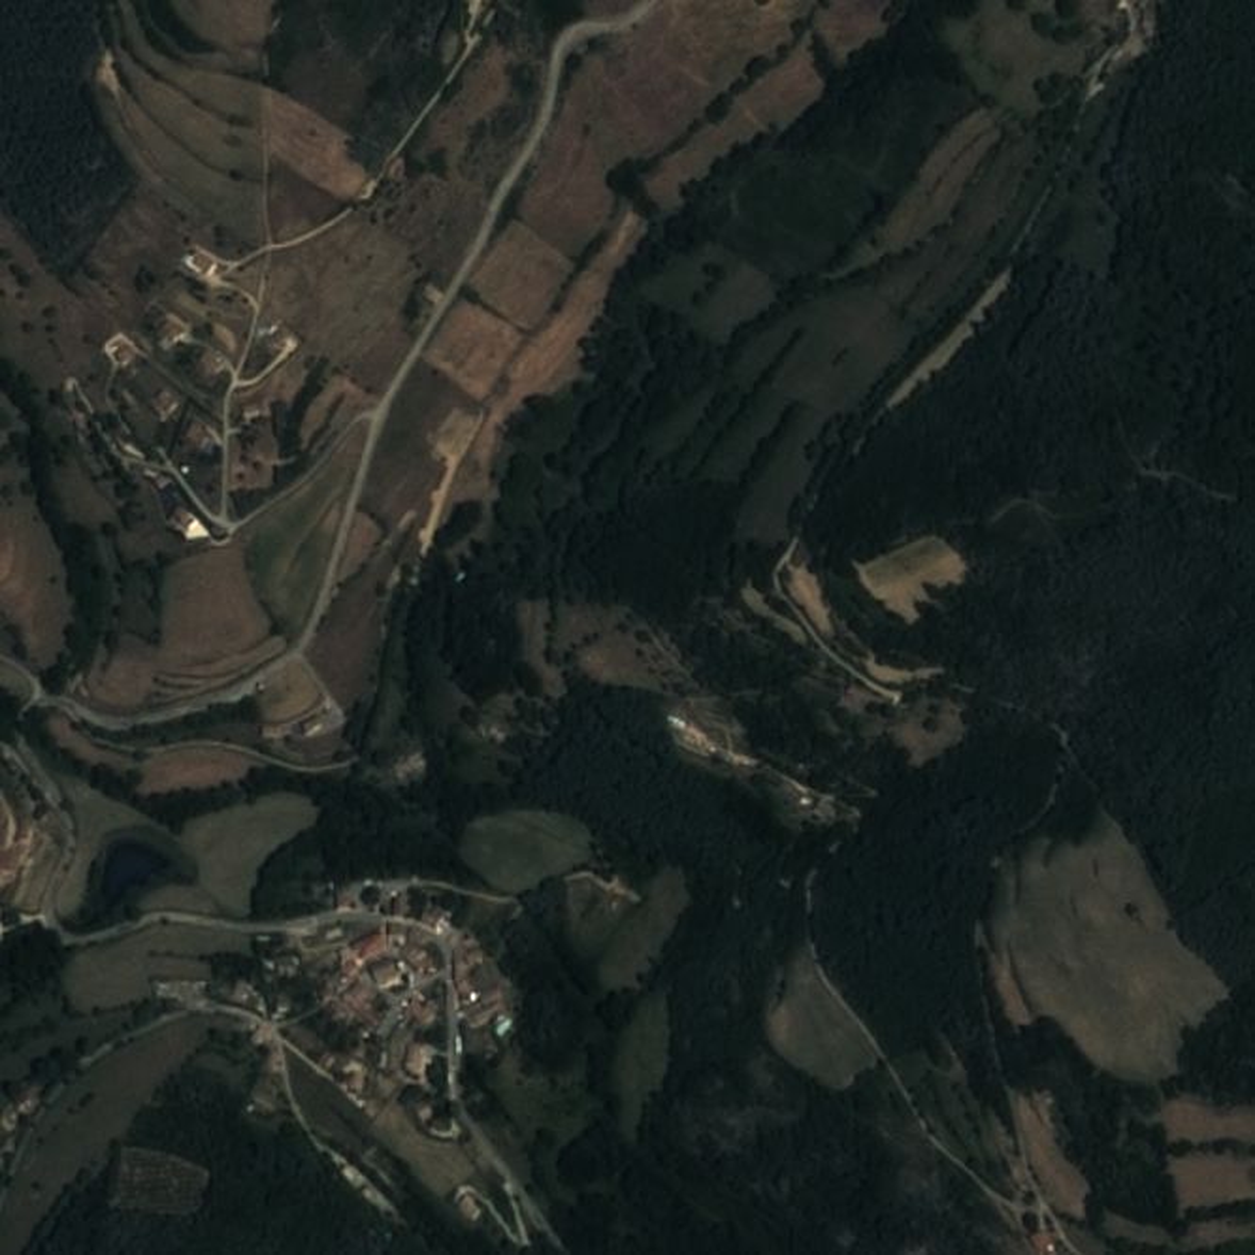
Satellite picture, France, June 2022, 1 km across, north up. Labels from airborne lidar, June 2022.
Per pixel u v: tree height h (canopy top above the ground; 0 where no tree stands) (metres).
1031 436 18
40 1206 0
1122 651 13
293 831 0
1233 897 17
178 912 0
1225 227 17
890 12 11
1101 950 0
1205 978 0
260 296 0
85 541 17
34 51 12
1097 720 13
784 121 0
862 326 0
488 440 0
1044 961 0
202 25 0
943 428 14
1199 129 19
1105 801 13
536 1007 20
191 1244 17
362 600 0
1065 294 21
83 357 0
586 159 0
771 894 12
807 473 0
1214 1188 0
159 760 0
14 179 13
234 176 8
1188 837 15
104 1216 15
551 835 0
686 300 0
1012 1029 8
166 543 0
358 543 0
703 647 8
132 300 0
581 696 17
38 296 0
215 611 0
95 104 9
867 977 11
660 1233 10
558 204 0
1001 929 0
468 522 32
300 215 0
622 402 10
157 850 0
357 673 0
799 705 10
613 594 10
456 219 0
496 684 23
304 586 0
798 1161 7
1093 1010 0
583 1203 13
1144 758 10
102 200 11
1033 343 20
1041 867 0
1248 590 21
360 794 19
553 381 0
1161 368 20
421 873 10
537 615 0
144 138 0
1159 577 14
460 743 13
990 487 14
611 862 12
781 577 6
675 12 0
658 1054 0
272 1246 21
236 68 0
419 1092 18
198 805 28
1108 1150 10
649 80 0
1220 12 16
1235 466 10
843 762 9
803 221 0
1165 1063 0
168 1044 0
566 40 0
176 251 0
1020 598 11
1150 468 8
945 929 8
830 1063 0
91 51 12
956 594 6
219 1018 7
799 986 0
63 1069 19
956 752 10
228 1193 16
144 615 0
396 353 0
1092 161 11
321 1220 15
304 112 0
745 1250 28
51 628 0
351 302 0
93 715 0
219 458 6
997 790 9
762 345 0
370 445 0
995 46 0
